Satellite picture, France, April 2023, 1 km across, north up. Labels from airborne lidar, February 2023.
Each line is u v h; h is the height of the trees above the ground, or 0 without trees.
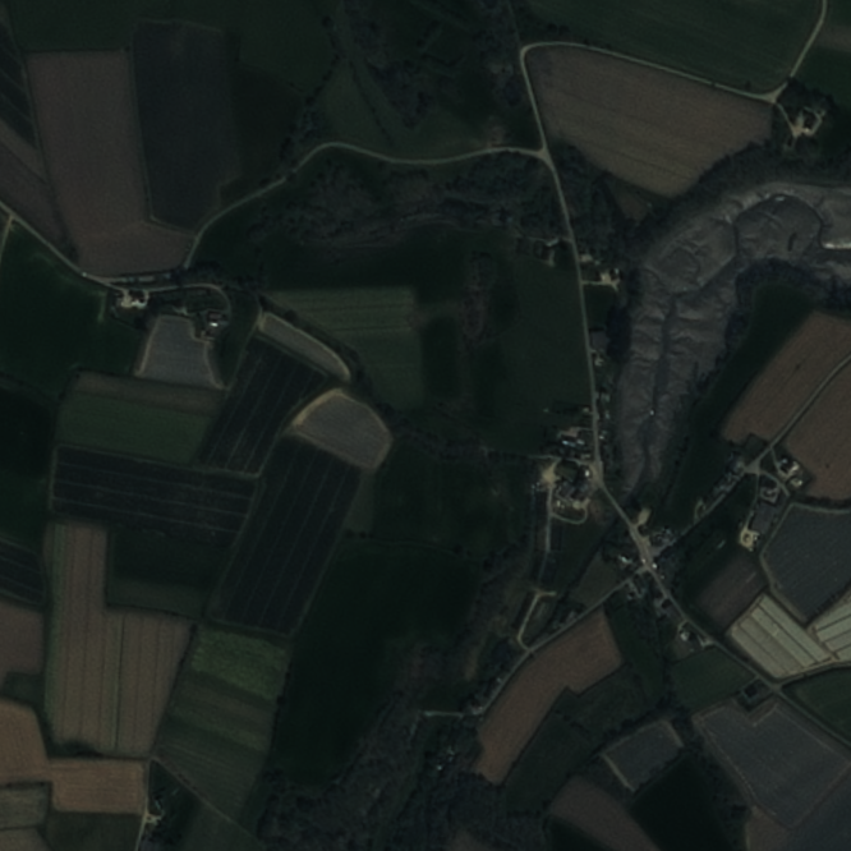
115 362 0
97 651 0
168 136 0
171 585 0
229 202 0
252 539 0
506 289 0
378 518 0
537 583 0
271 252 0
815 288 22
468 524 0
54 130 0
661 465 0
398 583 0
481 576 0
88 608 0
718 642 8
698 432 0
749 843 0
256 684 0
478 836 7
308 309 0
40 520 0
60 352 0
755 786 0
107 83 0
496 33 13
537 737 0
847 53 0
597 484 0
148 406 0
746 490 0
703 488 0
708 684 0
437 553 0
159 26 0
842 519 0
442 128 0
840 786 0
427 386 0
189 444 0
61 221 0
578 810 0
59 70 0
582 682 0
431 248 0
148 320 10
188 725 0
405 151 0
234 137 0
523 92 6
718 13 0
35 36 0
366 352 0
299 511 0
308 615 0
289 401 0
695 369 0
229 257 0
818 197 0
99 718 0
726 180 12
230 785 0
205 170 0
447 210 15
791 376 0
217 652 0
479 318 7
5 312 0
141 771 0
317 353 0
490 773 0
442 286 0
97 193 0
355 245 0
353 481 0
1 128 0
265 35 0
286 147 10
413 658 0
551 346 0
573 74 0
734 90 0
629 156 0
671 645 0
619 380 0
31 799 0
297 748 0
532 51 0
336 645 0
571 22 0
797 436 0
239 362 0
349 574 0
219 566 0
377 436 0
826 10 0
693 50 0
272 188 0
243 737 0
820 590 0
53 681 0
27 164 0
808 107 13
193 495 0
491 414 0
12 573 0
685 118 0
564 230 16
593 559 0
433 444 15
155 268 0
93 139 0
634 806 0
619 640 0
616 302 9
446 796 7
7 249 0
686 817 0
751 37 0
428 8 7
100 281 0
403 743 16
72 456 0
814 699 0
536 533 6
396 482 0
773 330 0
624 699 0
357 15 14
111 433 0
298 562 0
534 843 10
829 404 0
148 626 0
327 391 0
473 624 9
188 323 0
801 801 0
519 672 0
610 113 0
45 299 0
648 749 0
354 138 0
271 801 8
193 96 0
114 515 0
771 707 0
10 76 0
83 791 0
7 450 0
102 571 0
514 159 9
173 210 0
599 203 18
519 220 0
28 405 0
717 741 0
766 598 0
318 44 0
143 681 0
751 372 0
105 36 0
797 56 0
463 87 0
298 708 0
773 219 0
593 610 0
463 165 0
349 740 0
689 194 10
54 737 0
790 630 0
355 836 13
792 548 0
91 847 0
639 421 0
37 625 0
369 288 0
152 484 0
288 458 0
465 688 0
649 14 0
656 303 0
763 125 0
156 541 0
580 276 0
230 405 0
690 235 0
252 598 0
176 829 0
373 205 10
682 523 0
